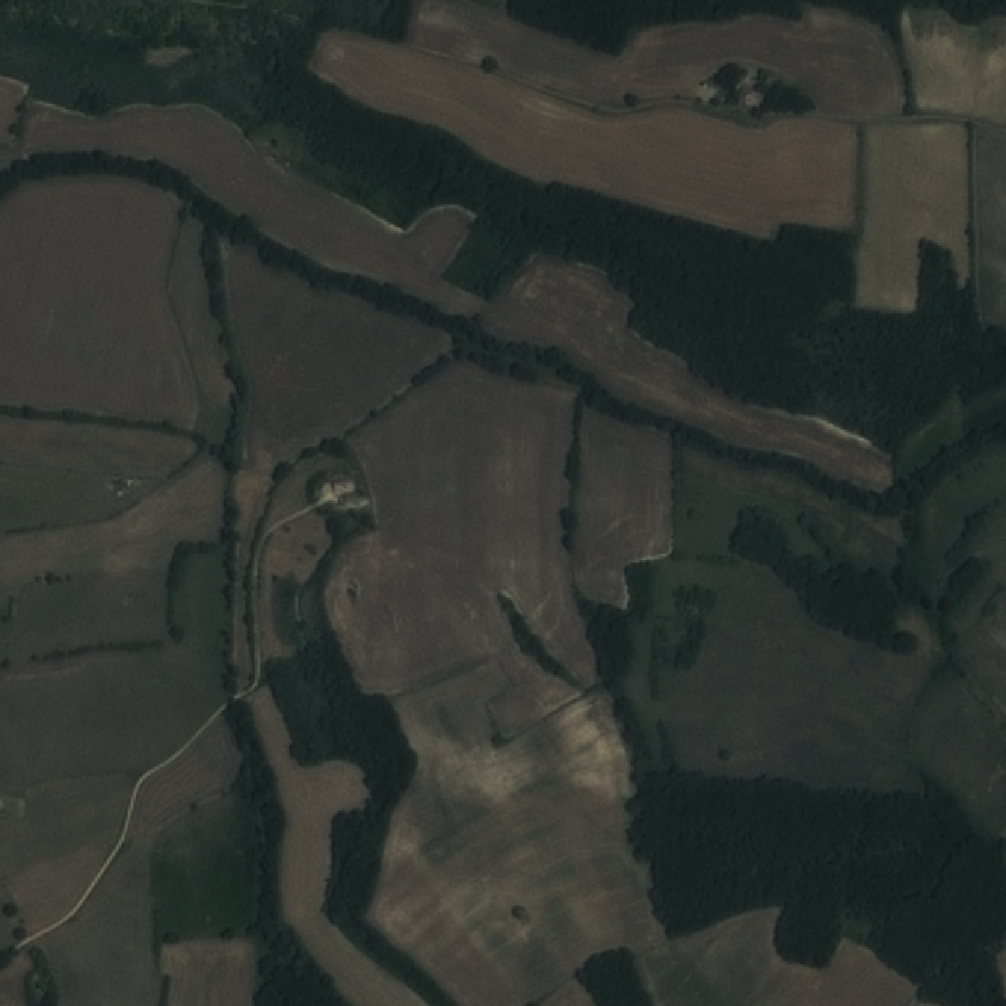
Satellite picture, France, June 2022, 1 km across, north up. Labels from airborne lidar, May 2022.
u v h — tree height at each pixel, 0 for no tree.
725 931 0
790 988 0
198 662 0
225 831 0
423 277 0
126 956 0
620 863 0
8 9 8
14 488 0
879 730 0
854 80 0
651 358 0
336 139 14
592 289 0
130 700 0
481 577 0
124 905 0
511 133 0
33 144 0
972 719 0
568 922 0
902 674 0
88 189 0
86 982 0
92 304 0
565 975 0
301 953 17
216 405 0
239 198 0
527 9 17
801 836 17
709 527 0
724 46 0
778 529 9
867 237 0
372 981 0
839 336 15
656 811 23
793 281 17
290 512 0
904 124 0
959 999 15
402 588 0
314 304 0
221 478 0
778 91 15
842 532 0
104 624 0
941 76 0
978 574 16
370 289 21
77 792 0
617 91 0
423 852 0
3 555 0
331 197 0
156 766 0
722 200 0
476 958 0
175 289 0
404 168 22
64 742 0
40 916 0
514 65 0
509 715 0
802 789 19
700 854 14
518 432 0
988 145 0
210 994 0
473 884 0
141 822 0
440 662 0
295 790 0
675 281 19
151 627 0
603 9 18
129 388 0
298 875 0
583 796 0
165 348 0
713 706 0
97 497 0
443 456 0
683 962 0
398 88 0
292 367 0
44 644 0
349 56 0
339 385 0
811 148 0
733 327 22
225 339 10
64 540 0
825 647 0
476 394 0
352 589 0
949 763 0
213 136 0
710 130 0
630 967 17
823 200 0
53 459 0
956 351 16
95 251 0
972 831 16
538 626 0
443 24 0
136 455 0
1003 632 0
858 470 0
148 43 15
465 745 0
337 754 10
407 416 0
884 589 19
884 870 8
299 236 0
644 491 0
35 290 0
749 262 18
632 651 13
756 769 0
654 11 20
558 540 0
